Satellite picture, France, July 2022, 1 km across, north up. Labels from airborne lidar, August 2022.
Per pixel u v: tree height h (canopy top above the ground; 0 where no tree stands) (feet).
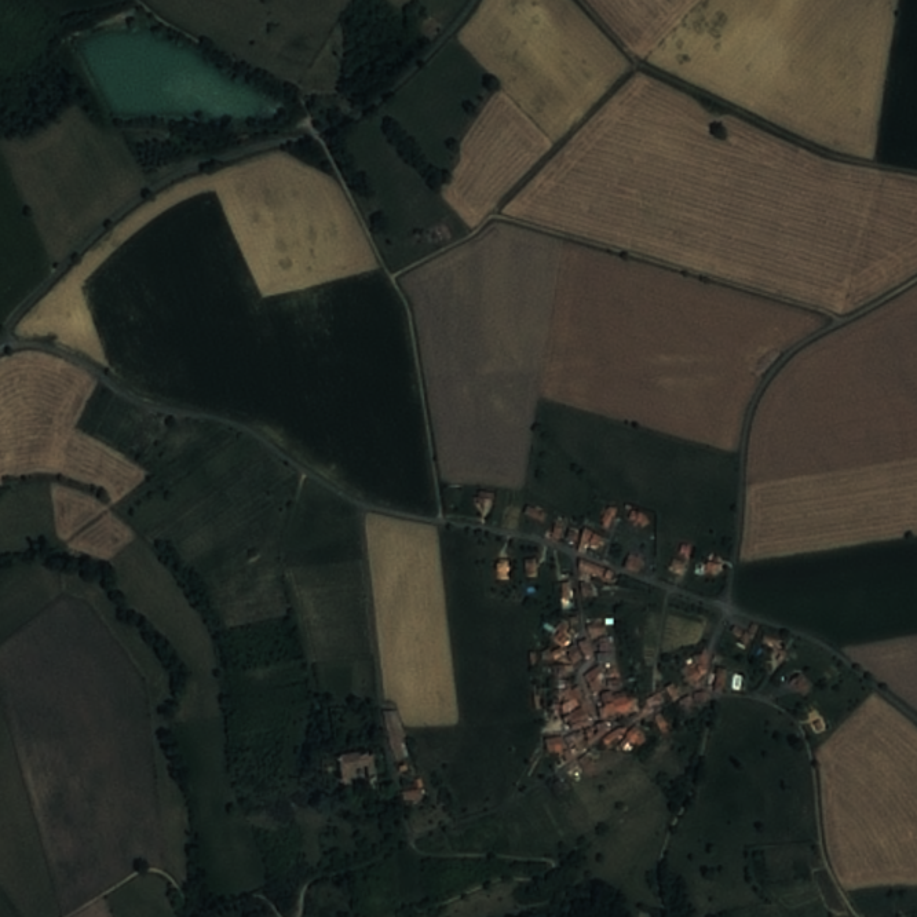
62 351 0
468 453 0
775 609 0
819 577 0
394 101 43
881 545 0
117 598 58
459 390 0
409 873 0
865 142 0
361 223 0
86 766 0
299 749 18
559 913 27
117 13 23
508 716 0
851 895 0
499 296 0
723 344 0
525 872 19
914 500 0
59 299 0
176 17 0
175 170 0
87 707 0
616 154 0
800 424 0
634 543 0
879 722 0
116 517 0
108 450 0
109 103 0
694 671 0
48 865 0
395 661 0
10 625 0
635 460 0
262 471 0
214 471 0
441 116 0
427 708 0
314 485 0
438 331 0
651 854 0
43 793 0
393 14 21
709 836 0
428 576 0
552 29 0
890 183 0
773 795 0
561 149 0
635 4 0
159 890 0
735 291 0
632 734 0
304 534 0
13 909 0
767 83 0
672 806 38
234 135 37
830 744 0
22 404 0
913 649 0
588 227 0
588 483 0
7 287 0
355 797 41
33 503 0
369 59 32
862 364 0
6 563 39
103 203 0
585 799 0
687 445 0
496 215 0
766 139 0
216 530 0
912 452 0
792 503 0
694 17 0
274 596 0
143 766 0
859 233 0
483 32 0
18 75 18
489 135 0
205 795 0
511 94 0
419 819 0
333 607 0
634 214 0
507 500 0
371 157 0
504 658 0
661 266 0
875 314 0
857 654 0
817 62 0
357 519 0
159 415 0
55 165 0
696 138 0
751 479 0
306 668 33
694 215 0
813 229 0
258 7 0
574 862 40
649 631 0
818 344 0
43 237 0
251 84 44
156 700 0
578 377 0
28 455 0
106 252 0
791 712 20
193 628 0
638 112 0
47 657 0
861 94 0
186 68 0
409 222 0
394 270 0
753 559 0
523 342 0
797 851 0
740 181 0
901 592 0
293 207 0
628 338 0
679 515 0
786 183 0
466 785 0
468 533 23
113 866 0
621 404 0
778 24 0
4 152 0
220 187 0
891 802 0
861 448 0
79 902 0
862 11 0
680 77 0
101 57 0
